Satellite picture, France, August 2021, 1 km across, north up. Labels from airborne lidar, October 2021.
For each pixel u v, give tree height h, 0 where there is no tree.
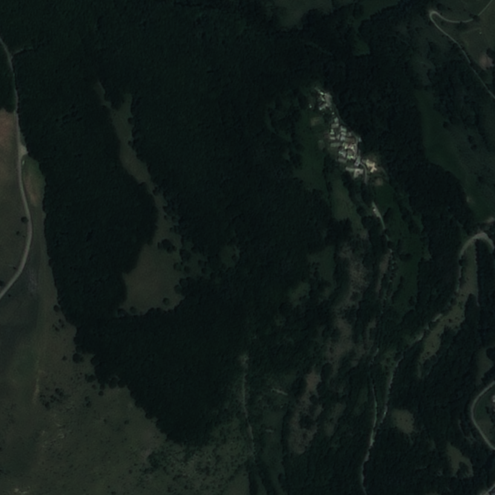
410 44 9
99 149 26
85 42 19
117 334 19
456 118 11
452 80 27
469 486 27
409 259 14
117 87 18
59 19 20
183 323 23
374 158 0
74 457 0
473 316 24
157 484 0
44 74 26
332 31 17
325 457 7
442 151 0
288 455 11
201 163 31
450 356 14
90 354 9
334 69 29
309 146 0
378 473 30
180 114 27
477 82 19
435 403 27
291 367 10
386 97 18
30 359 0
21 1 22
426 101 0
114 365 16
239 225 20
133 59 28
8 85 15
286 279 22
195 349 23
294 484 18
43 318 0
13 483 0
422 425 13
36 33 21
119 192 30
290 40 28
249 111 21
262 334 19
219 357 15
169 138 25
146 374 20
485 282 22
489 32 0
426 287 12
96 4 26
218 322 27
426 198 25
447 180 22
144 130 24
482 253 18
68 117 20
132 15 26
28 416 0
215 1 21
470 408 13
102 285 26
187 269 11
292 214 32
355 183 13
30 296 0
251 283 22
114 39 30
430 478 19
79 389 0
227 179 18
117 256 29
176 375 17
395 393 18
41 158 15
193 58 28
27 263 0
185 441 10
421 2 26
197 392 18
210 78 27
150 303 0
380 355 14
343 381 9
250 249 20
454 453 0
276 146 15
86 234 24
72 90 29
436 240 27
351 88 23
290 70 17
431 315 12
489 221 0
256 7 13
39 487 0
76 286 27
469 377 28
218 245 18
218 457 7
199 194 23
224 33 33
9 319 0
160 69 25
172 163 25
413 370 17
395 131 27
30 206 0
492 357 21
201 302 19
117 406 0
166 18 29
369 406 10
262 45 27
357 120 26
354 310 10
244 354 6
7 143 0
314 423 9
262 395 7
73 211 27
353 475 10
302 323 15
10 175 0
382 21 26
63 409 0
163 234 0
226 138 17
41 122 22
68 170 22
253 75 28
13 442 0
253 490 13
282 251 27
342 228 14
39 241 0
